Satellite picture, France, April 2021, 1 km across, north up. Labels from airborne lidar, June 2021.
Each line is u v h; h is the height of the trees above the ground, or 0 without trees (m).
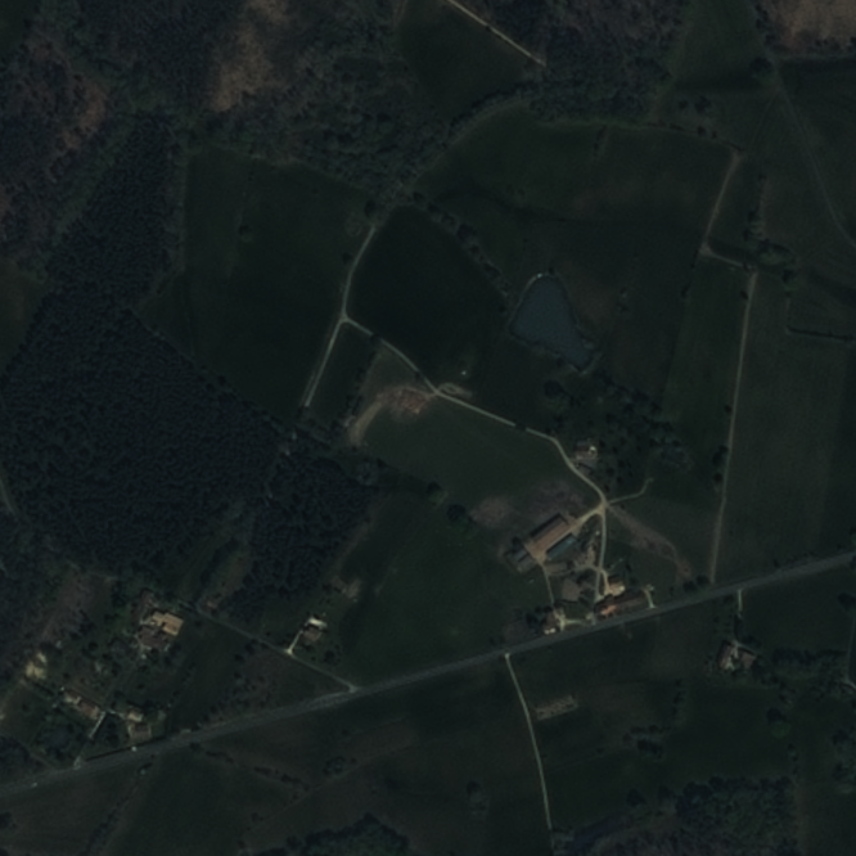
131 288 17
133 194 20
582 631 0
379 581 0
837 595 0
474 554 0
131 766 0
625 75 24
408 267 0
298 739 0
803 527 0
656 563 0
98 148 17
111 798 0
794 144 0
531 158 0
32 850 0
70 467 18
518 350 0
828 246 0
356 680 0
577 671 0
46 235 7
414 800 0
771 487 0
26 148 23
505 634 0
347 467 0
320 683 0
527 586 0
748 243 12
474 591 0
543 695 0
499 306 0
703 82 0
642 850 11
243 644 0
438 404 0
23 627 25
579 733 0
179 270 8
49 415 12
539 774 0
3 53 0
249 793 0
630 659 0
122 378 20
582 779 0
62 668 17
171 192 18
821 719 0
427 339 0
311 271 0
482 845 0
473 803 12
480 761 0
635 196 0
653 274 0
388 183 11
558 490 0
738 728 0
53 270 17
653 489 0
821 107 0
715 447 0
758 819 13
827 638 0
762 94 0
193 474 16
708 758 0
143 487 17
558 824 0
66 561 16
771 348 0
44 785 0
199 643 0
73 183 19
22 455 15
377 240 0
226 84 0
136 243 18
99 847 12
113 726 8
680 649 0
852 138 0
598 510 0
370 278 0
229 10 17
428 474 0
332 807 0
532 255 0
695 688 0
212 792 0
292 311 0
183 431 18
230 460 18
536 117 9
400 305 0
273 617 0
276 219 0
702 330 0
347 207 0
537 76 19
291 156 13
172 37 20
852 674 0
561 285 0
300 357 0
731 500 0
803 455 0
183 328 0
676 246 0
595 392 0
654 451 11
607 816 0
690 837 10
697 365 0
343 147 17
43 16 14
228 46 11
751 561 0
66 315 15
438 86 0
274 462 17
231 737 0
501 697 0
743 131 0
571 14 12
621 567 0
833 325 0
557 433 9
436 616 0
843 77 0
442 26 0
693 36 0
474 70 0
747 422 0
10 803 0
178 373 16
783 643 0
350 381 0
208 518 19
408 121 7
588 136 0
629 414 13
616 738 0
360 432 0
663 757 11
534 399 0
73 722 0
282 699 0
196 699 0
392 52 16
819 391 0
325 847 20
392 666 0
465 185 0
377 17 12
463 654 0
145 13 11
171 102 18
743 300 10
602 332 0
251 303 0
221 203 0
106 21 19
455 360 0
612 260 0
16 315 0
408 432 0
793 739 0
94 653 10
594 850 8
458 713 0
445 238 0
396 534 0
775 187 0
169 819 0
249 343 0
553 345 0
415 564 0
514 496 0
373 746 0
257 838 0
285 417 0
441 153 14
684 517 0
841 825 0
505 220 0
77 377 9
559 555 0
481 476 0
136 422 18
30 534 16
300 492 16
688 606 0
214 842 0
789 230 0
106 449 18
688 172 0
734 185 0
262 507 13
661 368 0
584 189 0
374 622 0
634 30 11
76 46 22
